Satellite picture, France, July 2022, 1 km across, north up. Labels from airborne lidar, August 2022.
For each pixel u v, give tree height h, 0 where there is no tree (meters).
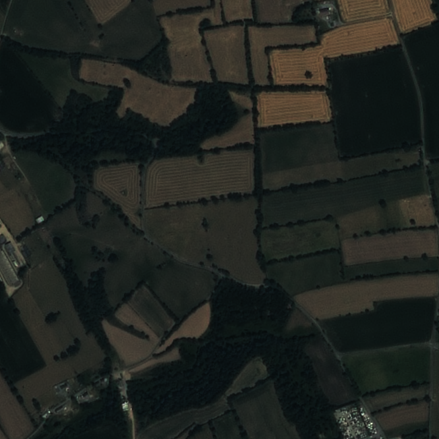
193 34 0
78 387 0
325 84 0
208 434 0
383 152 7
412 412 0
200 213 0
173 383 18
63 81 0
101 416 14
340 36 0
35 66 0
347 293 0
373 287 0
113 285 0
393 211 0
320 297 0
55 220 0
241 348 14
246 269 0
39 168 0
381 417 0
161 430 0
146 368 0
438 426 0
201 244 0
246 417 0
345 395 0
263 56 0
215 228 0
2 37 10
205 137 14
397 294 0
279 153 0
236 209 0
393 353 0
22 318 0
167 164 0
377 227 0
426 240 0
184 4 0
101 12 0
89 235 0
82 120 11
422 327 0
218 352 33
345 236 0
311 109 0
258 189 14
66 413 0
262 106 0
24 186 0
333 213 0
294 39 0
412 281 0
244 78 0
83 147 12
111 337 0
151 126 13
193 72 0
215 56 0
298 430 12
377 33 0
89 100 8
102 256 10
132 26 0
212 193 0
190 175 0
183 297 0
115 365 0
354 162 0
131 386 12
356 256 0
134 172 0
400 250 0
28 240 0
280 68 0
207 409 0
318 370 0
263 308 19
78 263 0
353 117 0
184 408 17
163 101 0
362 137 0
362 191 0
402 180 0
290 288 0
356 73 0
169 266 0
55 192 0
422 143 12
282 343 25
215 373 22
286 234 0
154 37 0
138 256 0
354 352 0
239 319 18
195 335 0
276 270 0
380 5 0
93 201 0
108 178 0
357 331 0
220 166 0
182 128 22
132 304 0
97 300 9
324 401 8
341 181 16
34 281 0
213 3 12
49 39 0
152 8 0
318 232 0
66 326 0
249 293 15
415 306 0
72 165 16
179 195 0
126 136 20
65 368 0
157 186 0
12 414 0
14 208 0
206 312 0
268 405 0
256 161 10
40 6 0
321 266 0
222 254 0
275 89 11
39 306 0
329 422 9
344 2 0
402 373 0
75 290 15
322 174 0
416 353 0
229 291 12
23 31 0
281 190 7
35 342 0
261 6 0
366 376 0
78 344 16
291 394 19
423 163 18
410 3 0
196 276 0
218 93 21
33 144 19
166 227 0
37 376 0
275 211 0
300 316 0
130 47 0
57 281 0
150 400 19
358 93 0
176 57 0
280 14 0
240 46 0
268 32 0
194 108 15
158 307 0
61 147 24
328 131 0
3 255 0
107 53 0
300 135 0
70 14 0
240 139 0
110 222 0
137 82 0
